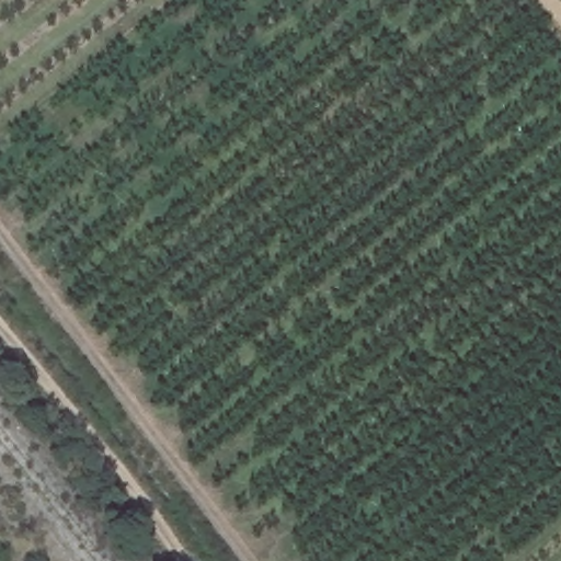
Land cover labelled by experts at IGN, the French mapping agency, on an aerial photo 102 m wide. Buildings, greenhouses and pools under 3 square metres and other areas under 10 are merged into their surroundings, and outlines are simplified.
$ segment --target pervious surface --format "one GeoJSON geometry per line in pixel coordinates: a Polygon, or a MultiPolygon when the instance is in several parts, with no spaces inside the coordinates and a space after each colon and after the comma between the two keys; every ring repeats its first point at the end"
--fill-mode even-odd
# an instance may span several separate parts
{"type": "Polygon", "coordinates": [[[50,561],[114,561],[107,552],[107,546],[96,550],[96,537],[85,535],[85,528],[77,519],[75,511],[72,508],[66,508],[61,504],[61,489],[55,484],[55,478],[42,480],[37,476],[46,467],[46,462],[33,467],[26,465],[28,434],[20,423],[4,427],[0,421],[0,480],[4,484],[22,486],[28,517],[44,517],[42,528],[46,533],[46,554],[50,561]]]}
{"type": "Polygon", "coordinates": [[[554,24],[561,31],[561,0],[539,0],[541,7],[550,11],[554,24]]]}
{"type": "Polygon", "coordinates": [[[37,379],[44,392],[53,394],[72,414],[79,412],[79,405],[53,379],[44,362],[33,351],[33,346],[18,335],[18,331],[0,313],[0,353],[4,353],[9,346],[22,351],[33,364],[37,379]]]}
{"type": "Polygon", "coordinates": [[[167,550],[180,552],[184,543],[171,528],[171,524],[164,519],[162,511],[153,511],[158,541],[167,550]]]}
{"type": "Polygon", "coordinates": [[[127,486],[127,493],[131,497],[142,497],[147,489],[127,469],[121,454],[114,447],[105,447],[103,454],[112,458],[118,478],[127,486]]]}
{"type": "Polygon", "coordinates": [[[31,283],[33,291],[42,298],[48,313],[68,331],[77,346],[88,355],[90,364],[112,388],[129,419],[142,430],[145,438],[164,458],[167,467],[175,473],[178,482],[184,486],[184,491],[191,493],[195,504],[204,511],[204,515],[210,519],[215,530],[226,539],[226,543],[239,561],[252,561],[256,554],[245,541],[250,535],[234,528],[234,511],[224,508],[219,491],[213,484],[202,482],[197,469],[186,460],[182,430],[158,421],[151,410],[151,403],[142,399],[145,375],[138,368],[138,357],[110,355],[107,335],[96,333],[77,316],[75,307],[66,302],[66,296],[61,294],[57,281],[50,278],[46,270],[37,265],[28,254],[26,234],[22,232],[22,210],[7,213],[0,208],[0,248],[31,283]]]}

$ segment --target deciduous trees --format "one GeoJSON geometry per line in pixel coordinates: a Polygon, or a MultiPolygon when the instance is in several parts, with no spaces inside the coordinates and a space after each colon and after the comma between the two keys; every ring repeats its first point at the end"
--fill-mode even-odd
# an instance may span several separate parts
{"type": "Polygon", "coordinates": [[[50,451],[66,476],[66,484],[70,484],[77,495],[72,508],[75,511],[77,506],[85,506],[92,513],[105,513],[103,535],[96,537],[96,550],[107,546],[107,552],[114,561],[239,561],[226,543],[226,539],[215,530],[210,519],[204,515],[204,511],[195,504],[191,493],[184,491],[184,486],[178,482],[175,473],[167,467],[164,458],[145,438],[142,430],[129,419],[112,388],[90,364],[88,355],[77,346],[68,331],[48,313],[42,298],[33,291],[31,283],[0,248],[0,313],[18,331],[18,335],[33,346],[33,351],[44,362],[53,379],[79,405],[79,412],[72,414],[53,394],[44,392],[37,379],[26,386],[26,373],[15,362],[7,362],[0,368],[0,421],[4,427],[20,423],[28,434],[42,436],[50,443],[50,451]],[[121,454],[127,469],[147,489],[142,497],[131,497],[127,493],[127,486],[118,478],[112,458],[103,454],[105,447],[114,447],[121,454]],[[184,543],[180,552],[167,550],[158,541],[153,511],[162,511],[164,519],[171,524],[171,528],[184,543]]]}
{"type": "Polygon", "coordinates": [[[22,11],[24,0],[0,0],[0,18],[13,20],[18,11],[22,11]]]}
{"type": "Polygon", "coordinates": [[[136,0],[118,0],[118,11],[107,7],[107,18],[92,18],[94,31],[114,28],[123,20],[123,9],[136,9],[136,0]]]}
{"type": "Polygon", "coordinates": [[[136,33],[129,39],[123,33],[114,33],[114,37],[110,37],[99,53],[88,55],[88,61],[81,64],[72,77],[57,83],[57,90],[50,99],[37,99],[28,110],[22,110],[13,121],[0,125],[0,208],[7,213],[22,210],[22,232],[26,234],[28,254],[37,265],[46,270],[50,278],[57,281],[61,294],[66,296],[66,302],[75,307],[77,316],[96,333],[107,335],[110,355],[138,357],[138,368],[145,375],[142,399],[151,403],[151,410],[158,421],[182,430],[186,460],[197,469],[202,482],[213,484],[219,491],[224,508],[234,511],[234,528],[250,535],[245,541],[256,554],[252,561],[561,561],[561,31],[554,24],[550,11],[541,7],[539,0],[167,0],[162,9],[156,9],[138,20],[136,33]],[[254,537],[252,526],[272,511],[278,517],[278,526],[267,528],[259,537],[254,537]]]}

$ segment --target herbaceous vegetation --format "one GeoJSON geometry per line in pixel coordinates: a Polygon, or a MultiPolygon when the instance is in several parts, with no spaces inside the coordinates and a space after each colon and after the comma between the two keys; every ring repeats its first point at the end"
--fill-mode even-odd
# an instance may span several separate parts
{"type": "Polygon", "coordinates": [[[252,526],[254,537],[259,537],[267,528],[278,526],[278,517],[272,511],[252,526]]]}
{"type": "Polygon", "coordinates": [[[28,517],[22,486],[4,484],[0,480],[0,561],[50,561],[46,554],[46,533],[42,528],[44,517],[28,517]]]}
{"type": "Polygon", "coordinates": [[[72,508],[77,495],[70,484],[66,484],[66,476],[50,451],[50,443],[42,436],[28,434],[26,465],[33,467],[46,462],[46,467],[37,476],[42,480],[55,478],[55,484],[61,489],[61,504],[66,508],[72,508]]]}
{"type": "Polygon", "coordinates": [[[92,513],[85,506],[77,506],[75,511],[77,519],[85,528],[85,535],[96,537],[103,535],[105,513],[92,513]]]}
{"type": "Polygon", "coordinates": [[[99,53],[110,37],[114,37],[114,33],[123,33],[129,39],[136,33],[138,20],[156,9],[162,9],[167,0],[136,0],[136,9],[123,9],[123,20],[114,28],[94,31],[92,18],[107,18],[107,7],[118,11],[118,0],[24,0],[22,11],[18,11],[13,20],[0,18],[0,125],[13,121],[22,110],[28,110],[37,99],[50,99],[57,90],[57,83],[72,77],[81,64],[88,61],[88,55],[99,53]]]}
{"type": "Polygon", "coordinates": [[[15,362],[26,373],[26,386],[37,379],[33,364],[22,351],[9,346],[4,353],[0,353],[0,368],[7,362],[15,362]]]}

